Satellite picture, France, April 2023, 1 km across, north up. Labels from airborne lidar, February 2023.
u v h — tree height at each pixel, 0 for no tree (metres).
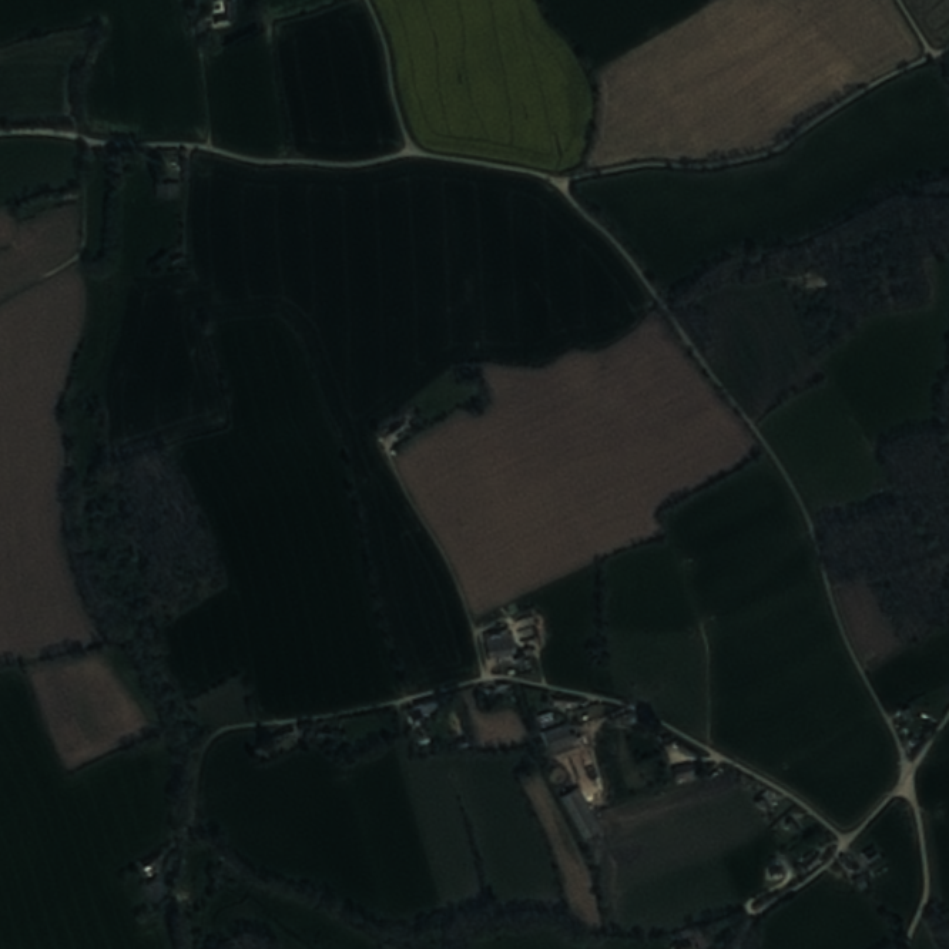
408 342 0
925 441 16
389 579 0
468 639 0
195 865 0
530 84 0
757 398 0
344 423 0
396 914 0
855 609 0
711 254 0
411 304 0
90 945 0
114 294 0
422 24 0
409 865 0
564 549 0
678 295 14
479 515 0
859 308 15
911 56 0
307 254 0
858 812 0
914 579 23
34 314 0
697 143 0
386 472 0
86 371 0
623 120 0
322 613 0
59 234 0
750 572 0
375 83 0
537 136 0
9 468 0
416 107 0
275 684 0
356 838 0
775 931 0
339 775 0
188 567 14
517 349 0
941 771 0
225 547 0
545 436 0
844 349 0
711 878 0
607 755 0
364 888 0
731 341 0
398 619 0
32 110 0
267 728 0
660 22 0
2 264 0
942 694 0
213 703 0
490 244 0
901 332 0
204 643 0
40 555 0
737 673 0
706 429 0
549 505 0
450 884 0
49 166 0
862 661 0
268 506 0
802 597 0
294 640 0
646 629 0
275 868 0
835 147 0
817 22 0
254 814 0
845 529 22
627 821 0
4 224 0
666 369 0
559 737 0
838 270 14
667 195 0
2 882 0
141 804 0
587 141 12
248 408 0
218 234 0
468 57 0
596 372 0
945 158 0
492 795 0
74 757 0
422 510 0
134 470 21
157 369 0
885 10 0
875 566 24
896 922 9
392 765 0
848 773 0
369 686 0
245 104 0
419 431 7
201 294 0
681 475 0
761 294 0
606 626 14
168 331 0
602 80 0
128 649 15
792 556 0
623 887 0
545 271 0
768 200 0
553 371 0
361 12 0
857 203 0
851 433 0
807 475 0
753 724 0
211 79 0
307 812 0
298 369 0
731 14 0
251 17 11
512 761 0
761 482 0
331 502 0
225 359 0
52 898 0
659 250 0
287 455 0
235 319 0
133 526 20
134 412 0
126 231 0
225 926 0
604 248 0
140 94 0
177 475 17
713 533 0
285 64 0
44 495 0
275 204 0
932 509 19
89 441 0
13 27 0
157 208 0
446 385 0
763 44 0
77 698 0
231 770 0
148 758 0
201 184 0
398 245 0
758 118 0
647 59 0
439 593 0
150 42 0
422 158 0
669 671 0
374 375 0
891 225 11
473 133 0
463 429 0
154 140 0
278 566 0
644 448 0
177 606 7
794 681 0
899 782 0
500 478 0
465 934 17
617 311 0
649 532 0
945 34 0
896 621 15
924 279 10
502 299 0
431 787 0
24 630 0
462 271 0
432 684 0
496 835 0
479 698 10
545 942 0
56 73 0
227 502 0
